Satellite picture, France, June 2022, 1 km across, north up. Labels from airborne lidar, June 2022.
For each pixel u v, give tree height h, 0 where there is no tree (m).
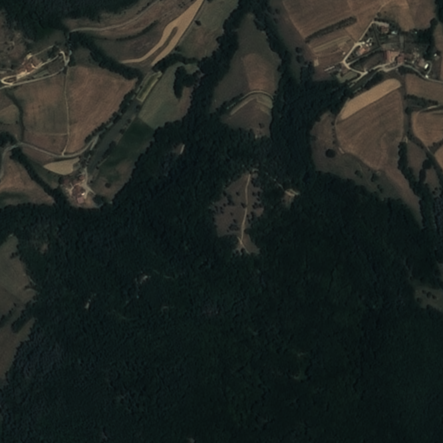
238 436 24
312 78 8
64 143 0
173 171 25
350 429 23
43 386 13
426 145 0
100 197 12
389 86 0
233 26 21
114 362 23
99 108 0
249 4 23
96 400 19
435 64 0
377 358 25
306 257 19
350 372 6
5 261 0
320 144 0
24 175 0
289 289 19
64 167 0
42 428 12
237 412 10
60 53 6
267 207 15
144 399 21
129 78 11
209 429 27
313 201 18
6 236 16
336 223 8
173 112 0
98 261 10
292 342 20
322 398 18
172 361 18
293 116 20
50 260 24
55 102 0
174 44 0
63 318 20
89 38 14
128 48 0
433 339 15
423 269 9
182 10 0
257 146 11
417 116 0
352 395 16
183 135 23
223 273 17
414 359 20
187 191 24
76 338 14
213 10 0
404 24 0
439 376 12
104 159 6
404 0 0
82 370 10
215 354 17
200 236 11
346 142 0
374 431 25
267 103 0
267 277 24
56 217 18
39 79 0
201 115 21
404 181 0
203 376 21
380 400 23
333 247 21
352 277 15
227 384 17
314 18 0
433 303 0
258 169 7
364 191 22
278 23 11
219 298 20
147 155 17
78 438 18
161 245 21
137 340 21
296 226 19
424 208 18
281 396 23
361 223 9
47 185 7
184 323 16
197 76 19
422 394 11
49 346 15
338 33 0
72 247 14
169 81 0
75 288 14
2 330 0
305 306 23
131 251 8
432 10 0
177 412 19
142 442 17
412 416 15
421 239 25
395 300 16
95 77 0
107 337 15
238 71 0
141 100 0
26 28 14
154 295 9
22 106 0
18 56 0
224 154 16
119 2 8
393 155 0
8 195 0
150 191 14
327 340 19
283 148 19
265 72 0
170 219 20
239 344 14
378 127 0
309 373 24
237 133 11
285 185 18
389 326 22
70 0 13
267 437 22
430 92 0
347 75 0
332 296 19
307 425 20
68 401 16
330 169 0
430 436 19
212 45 0
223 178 11
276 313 20
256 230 10
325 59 0
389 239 8
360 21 0
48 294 14
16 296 0
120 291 12
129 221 18
